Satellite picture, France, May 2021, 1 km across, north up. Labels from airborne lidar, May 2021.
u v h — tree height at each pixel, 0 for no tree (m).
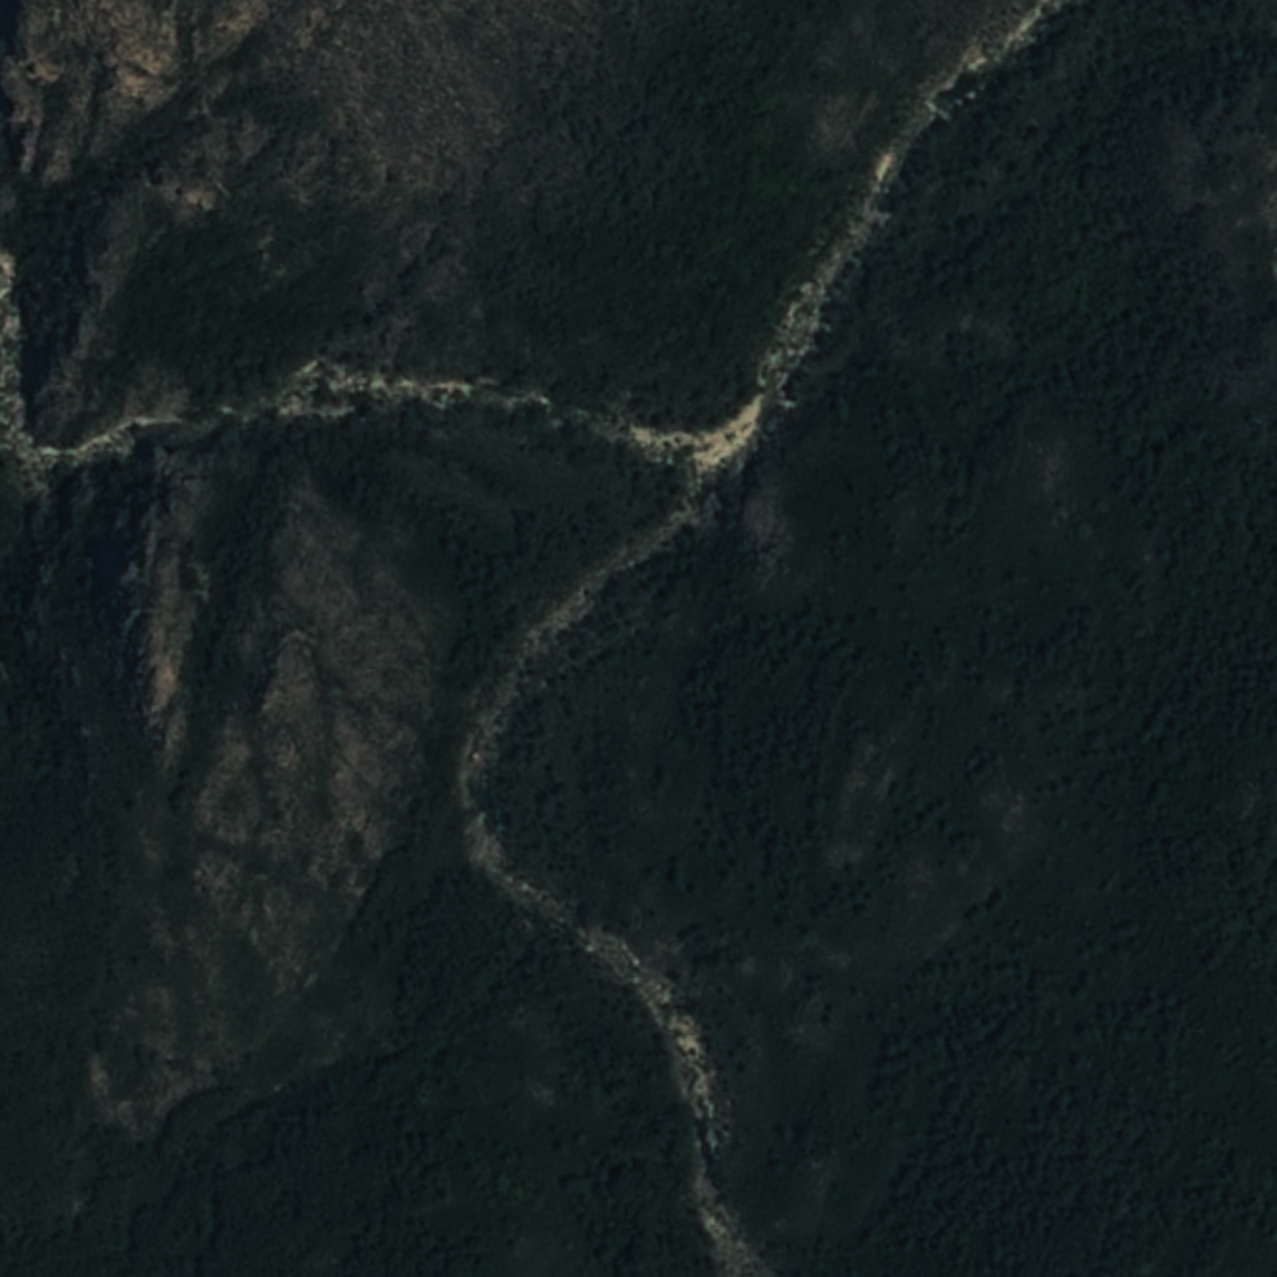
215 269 10
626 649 8
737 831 16
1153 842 16
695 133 24
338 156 12
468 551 18
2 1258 17
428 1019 24
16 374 0
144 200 8
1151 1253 13
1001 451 24
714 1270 19
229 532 7
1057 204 11
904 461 19
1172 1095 6
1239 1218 6
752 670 21
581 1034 7
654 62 6
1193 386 23
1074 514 9
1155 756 19
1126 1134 18
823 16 6
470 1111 6
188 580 7
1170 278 21
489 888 23
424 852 8
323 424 19
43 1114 13
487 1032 7
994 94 6
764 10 6
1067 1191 21
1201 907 7
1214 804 10
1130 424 26
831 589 8
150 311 11
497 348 8
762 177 16
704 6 14
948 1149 19
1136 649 6
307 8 16
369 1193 23
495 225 16
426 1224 16
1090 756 17
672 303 6
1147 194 17
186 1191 24
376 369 11
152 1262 18
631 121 7
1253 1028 7
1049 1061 6
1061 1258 19
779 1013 7
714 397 6
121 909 15
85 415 8
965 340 18
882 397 10
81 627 7
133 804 12
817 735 14
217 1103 20
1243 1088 5
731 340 11
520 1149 9
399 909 6
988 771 19
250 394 20
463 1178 7
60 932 16
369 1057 11
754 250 14
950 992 8
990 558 6
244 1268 22
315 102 18
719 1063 10
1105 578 7
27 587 17
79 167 12
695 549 9
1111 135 22
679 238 6
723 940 14
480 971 20
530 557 21
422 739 7
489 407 7
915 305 7
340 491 7
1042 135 17
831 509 5
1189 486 13
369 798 5
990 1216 7
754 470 6
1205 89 9
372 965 6
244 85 6
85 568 9
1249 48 12
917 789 11
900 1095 18
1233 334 22
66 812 16
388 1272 24
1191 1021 6
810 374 23
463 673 8
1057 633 8
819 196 14
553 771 15
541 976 12
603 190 18
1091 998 5
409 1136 7
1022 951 13
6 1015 18
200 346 8
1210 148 13
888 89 6
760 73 10
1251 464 20
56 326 10
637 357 11
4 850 20
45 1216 16
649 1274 34
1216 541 23
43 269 7
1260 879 16
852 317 22
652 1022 19
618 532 18
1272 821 13
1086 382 22
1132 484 10
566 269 9
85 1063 16
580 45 16
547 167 15
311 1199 23
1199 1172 5
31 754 11
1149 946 6
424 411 18
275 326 11
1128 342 20
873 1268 6
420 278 17
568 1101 5
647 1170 27
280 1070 7
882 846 14
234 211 6
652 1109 11
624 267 7
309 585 0
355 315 11
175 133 9
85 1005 19
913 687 18
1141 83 15
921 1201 16
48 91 14
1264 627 7
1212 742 10
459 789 7
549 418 19
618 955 0
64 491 12
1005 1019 13
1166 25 8
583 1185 23
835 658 18
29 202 17
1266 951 13
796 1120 6
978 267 20
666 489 16
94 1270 20
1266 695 7
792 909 8
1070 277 10
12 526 8
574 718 17
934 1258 7
